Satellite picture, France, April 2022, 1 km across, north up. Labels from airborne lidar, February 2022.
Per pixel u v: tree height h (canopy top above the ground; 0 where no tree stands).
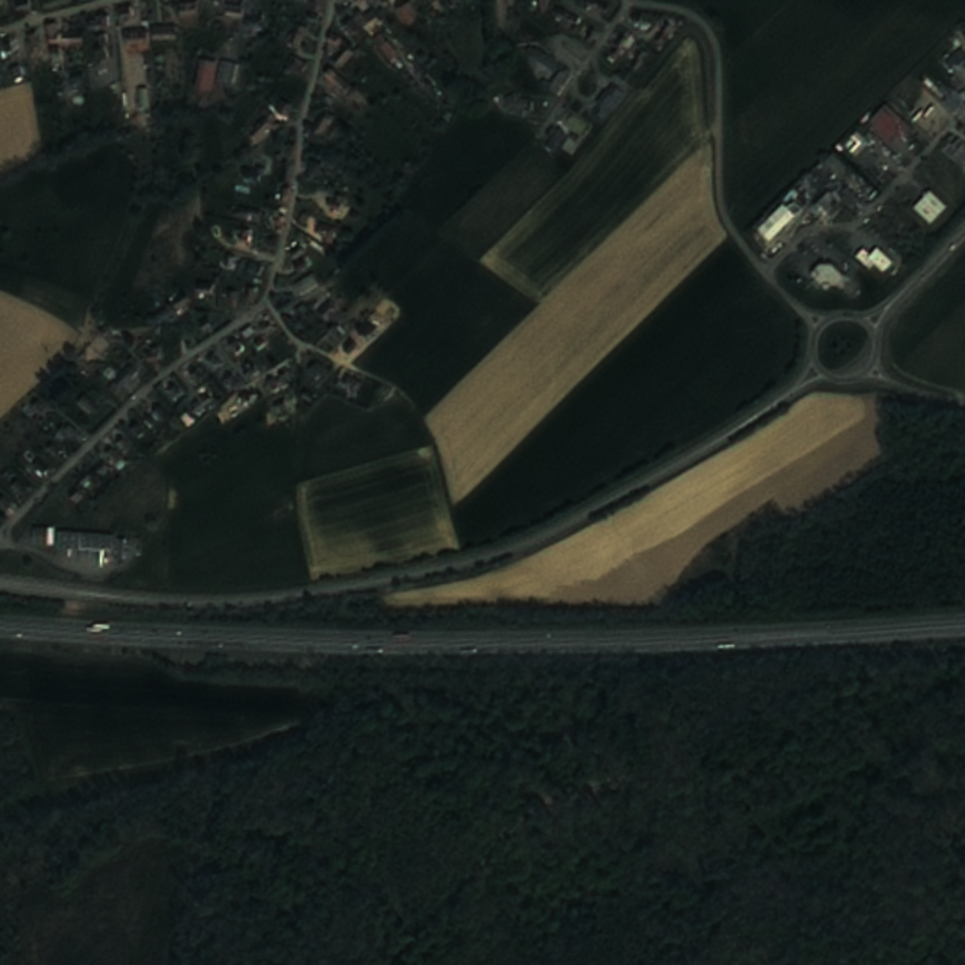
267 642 0
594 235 0
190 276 0
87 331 0
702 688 26
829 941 33
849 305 0
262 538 0
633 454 0
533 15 0
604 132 0
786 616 15
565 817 28
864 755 26
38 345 0
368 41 0
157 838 0
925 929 28
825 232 0
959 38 0
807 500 0
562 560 0
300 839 25
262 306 0
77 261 0
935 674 27
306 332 7
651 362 0
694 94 0
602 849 21
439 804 25
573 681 24
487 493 0
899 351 0
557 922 21
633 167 0
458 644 0
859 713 25
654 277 0
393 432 0
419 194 0
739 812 30
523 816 25
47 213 0
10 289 0
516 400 0
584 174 0
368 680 12
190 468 0
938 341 0
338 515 0
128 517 0
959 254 0
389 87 0
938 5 0
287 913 25
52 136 0
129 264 0
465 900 25
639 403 0
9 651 0
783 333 0
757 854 31
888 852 30
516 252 0
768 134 0
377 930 23
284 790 30
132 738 0
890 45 0
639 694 30
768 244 0
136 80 0
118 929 0
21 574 0
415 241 0
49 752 0
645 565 0
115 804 29
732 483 0
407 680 18
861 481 18
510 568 0
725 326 0
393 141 0
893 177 0
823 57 0
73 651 0
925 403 20
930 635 0
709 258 0
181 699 0
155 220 0
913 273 0
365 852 24
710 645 0
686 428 0
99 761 0
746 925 27
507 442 0
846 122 0
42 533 0
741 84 0
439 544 0
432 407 0
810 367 0
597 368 0
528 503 0
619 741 25
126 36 0
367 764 30
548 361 0
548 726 13
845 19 0
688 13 0
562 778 7
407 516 0
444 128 11
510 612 20
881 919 26
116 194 0
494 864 24
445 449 0
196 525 0
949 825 31
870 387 0
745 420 0
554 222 0
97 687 0
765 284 0
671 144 0
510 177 0
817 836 16
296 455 0
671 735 32
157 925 0
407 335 0
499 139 0
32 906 0
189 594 0
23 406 0
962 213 6
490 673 17
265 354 0
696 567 18
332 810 29
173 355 0
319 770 30
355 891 24
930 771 35
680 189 0
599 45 0
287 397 0
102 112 0
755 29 0
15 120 0
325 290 0
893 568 15
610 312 0
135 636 0
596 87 0
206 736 0
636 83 0
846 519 15
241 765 25
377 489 0
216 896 34
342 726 21
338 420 0
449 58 8
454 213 0
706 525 0
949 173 0
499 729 20
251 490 0
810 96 0
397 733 16
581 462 0
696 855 29
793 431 0
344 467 0
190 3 0
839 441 0
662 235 0
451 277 0
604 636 0
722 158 0
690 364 0
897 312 0
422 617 7
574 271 0
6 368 0
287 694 0
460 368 0
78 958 0
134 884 0
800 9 0
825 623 0
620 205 0
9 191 0
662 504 0
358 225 0
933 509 16
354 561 0
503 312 0
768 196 0
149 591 0
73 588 0
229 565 0
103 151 0
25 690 0
